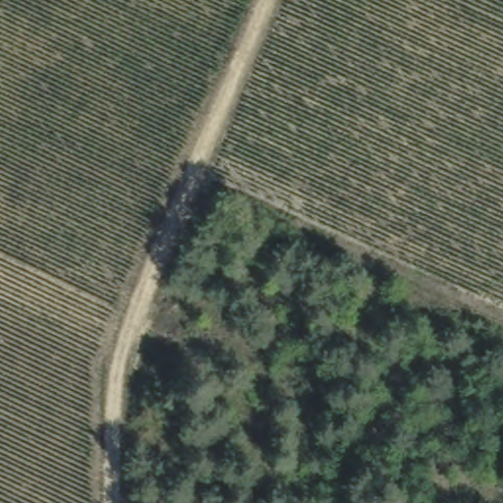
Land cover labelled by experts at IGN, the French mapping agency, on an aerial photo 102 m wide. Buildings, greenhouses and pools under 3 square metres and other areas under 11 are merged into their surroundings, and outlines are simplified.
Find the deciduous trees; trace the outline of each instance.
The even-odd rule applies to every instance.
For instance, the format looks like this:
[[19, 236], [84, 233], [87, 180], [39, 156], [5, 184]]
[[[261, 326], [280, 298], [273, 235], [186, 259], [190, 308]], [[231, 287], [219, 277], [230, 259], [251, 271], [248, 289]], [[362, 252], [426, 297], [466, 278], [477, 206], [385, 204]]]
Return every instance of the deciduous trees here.
[[475, 466], [483, 472], [495, 470], [499, 450], [497, 428], [503, 424], [503, 411], [481, 411], [475, 419], [470, 419], [464, 426], [460, 426], [458, 422], [450, 419], [450, 409], [438, 409], [434, 405], [434, 399], [430, 399], [426, 387], [417, 387], [413, 393], [409, 393], [405, 403], [397, 407], [397, 411], [405, 415], [405, 420], [401, 428], [397, 428], [397, 436], [391, 440], [389, 448], [389, 485], [397, 485], [401, 491], [405, 491], [407, 503], [434, 503], [436, 472], [446, 475], [458, 466], [462, 468], [462, 472], [470, 472]]
[[487, 350], [483, 356], [483, 367], [475, 371], [474, 375], [464, 377], [468, 385], [464, 389], [464, 395], [487, 397], [493, 389], [503, 387], [503, 348]]

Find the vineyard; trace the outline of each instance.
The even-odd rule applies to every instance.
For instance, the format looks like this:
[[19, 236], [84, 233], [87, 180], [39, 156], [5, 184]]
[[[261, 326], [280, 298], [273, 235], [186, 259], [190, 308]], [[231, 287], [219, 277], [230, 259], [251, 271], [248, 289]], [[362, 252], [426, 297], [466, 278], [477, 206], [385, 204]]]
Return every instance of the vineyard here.
[[132, 303], [132, 295], [140, 283], [143, 265], [149, 261], [145, 242], [151, 228], [149, 220], [145, 218], [145, 212], [149, 210], [149, 200], [165, 204], [169, 187], [173, 185], [173, 181], [181, 177], [181, 165], [193, 161], [193, 147], [210, 114], [214, 96], [224, 81], [240, 35], [246, 28], [253, 0], [0, 0], [0, 503], [112, 503], [108, 497], [112, 477], [108, 454], [100, 448], [98, 440], [94, 438], [98, 424], [104, 424], [106, 420], [106, 391], [110, 365], [128, 308]]
[[216, 141], [210, 157], [204, 161], [206, 165], [222, 171], [224, 185], [230, 189], [244, 191], [246, 195], [255, 196], [261, 202], [295, 216], [295, 226], [299, 228], [314, 228], [334, 238], [340, 248], [344, 248], [354, 257], [354, 263], [362, 261], [363, 253], [375, 259], [383, 259], [385, 265], [395, 271], [393, 285], [389, 291], [389, 299], [393, 303], [407, 301], [411, 307], [436, 308], [440, 314], [452, 318], [456, 334], [468, 334], [468, 328], [481, 328], [487, 330], [491, 336], [503, 338], [503, 0], [277, 0], [271, 18], [267, 20], [263, 29], [261, 41], [255, 49], [253, 61], [238, 86], [236, 102], [228, 112], [228, 118], [220, 130], [220, 138]]

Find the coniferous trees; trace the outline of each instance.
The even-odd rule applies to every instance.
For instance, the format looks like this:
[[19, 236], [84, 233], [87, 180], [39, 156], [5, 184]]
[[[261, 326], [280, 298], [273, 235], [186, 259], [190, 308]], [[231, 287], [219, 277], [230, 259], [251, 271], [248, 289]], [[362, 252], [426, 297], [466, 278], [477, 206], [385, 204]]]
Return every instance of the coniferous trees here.
[[497, 428], [499, 450], [495, 470], [483, 472], [475, 466], [470, 472], [462, 472], [462, 468], [458, 466], [446, 475], [436, 472], [434, 503], [503, 503], [503, 424]]
[[483, 367], [483, 356], [487, 350], [503, 348], [503, 338], [491, 336], [487, 330], [481, 328], [468, 328], [468, 334], [456, 334], [452, 318], [440, 314], [436, 308], [411, 307], [407, 301], [393, 303], [389, 299], [389, 291], [393, 285], [395, 271], [385, 265], [383, 259], [375, 259], [363, 253], [362, 261], [354, 263], [354, 257], [344, 248], [340, 248], [334, 238], [314, 228], [299, 228], [295, 226], [295, 216], [261, 202], [255, 196], [246, 195], [244, 191], [230, 189], [226, 193], [218, 193], [218, 202], [214, 210], [206, 216], [206, 224], [198, 228], [198, 234], [193, 238], [193, 250], [179, 257], [177, 271], [171, 277], [171, 283], [163, 287], [157, 281], [147, 312], [151, 318], [151, 326], [145, 334], [159, 336], [177, 344], [191, 338], [218, 340], [224, 350], [236, 352], [238, 371], [234, 377], [218, 379], [216, 367], [212, 363], [200, 363], [198, 383], [202, 387], [195, 395], [169, 393], [165, 403], [155, 403], [149, 411], [143, 411], [140, 417], [134, 420], [128, 419], [122, 413], [118, 420], [106, 420], [104, 424], [98, 424], [94, 438], [98, 440], [100, 448], [108, 454], [112, 477], [108, 497], [112, 503], [407, 503], [405, 491], [401, 491], [397, 485], [389, 485], [389, 448], [391, 440], [397, 436], [397, 428], [401, 428], [405, 420], [405, 415], [397, 411], [397, 407], [405, 403], [409, 393], [413, 393], [417, 387], [426, 387], [430, 399], [434, 399], [434, 405], [438, 409], [450, 409], [450, 419], [458, 422], [460, 426], [464, 426], [470, 419], [475, 419], [481, 411], [503, 411], [503, 387], [493, 389], [487, 397], [464, 395], [464, 389], [468, 385], [464, 377], [474, 375], [475, 371]]

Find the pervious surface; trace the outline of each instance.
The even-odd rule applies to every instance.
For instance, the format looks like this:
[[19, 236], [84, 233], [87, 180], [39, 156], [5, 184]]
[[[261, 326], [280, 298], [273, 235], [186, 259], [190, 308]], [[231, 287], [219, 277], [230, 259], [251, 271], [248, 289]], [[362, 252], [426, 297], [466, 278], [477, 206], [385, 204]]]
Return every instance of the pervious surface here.
[[198, 234], [198, 228], [206, 224], [206, 216], [214, 210], [218, 202], [218, 193], [226, 193], [230, 189], [224, 185], [222, 171], [206, 165], [204, 161], [210, 157], [216, 141], [220, 138], [220, 130], [228, 118], [228, 112], [236, 102], [238, 86], [253, 61], [255, 49], [261, 41], [263, 29], [267, 20], [271, 18], [277, 0], [253, 0], [246, 28], [240, 35], [224, 81], [214, 96], [210, 114], [193, 147], [193, 161], [181, 165], [181, 177], [173, 181], [173, 185], [169, 187], [165, 204], [149, 200], [149, 210], [145, 212], [145, 218], [149, 220], [151, 228], [145, 242], [149, 261], [143, 265], [140, 283], [132, 295], [132, 303], [128, 308], [110, 365], [106, 391], [106, 420], [118, 420], [122, 413], [126, 360], [130, 350], [136, 344], [140, 344], [141, 336], [145, 334], [151, 326], [151, 318], [147, 312], [157, 281], [163, 287], [171, 283], [171, 277], [177, 271], [179, 257], [193, 250], [193, 238]]

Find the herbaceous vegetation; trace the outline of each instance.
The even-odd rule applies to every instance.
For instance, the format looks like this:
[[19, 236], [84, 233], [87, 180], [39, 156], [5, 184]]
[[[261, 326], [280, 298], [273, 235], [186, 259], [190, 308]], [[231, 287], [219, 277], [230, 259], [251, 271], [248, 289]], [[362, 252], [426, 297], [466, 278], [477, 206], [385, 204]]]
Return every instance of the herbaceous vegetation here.
[[191, 338], [177, 344], [159, 336], [145, 334], [141, 336], [140, 344], [136, 344], [130, 350], [126, 360], [122, 413], [128, 419], [134, 420], [140, 417], [143, 411], [149, 411], [155, 403], [165, 403], [169, 393], [195, 395], [202, 387], [198, 383], [200, 363], [212, 363], [216, 367], [218, 379], [234, 377], [238, 371], [236, 352], [224, 350], [218, 340]]

